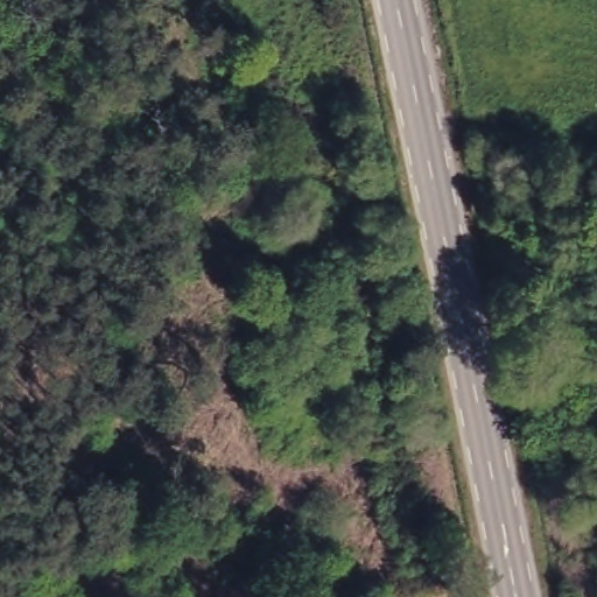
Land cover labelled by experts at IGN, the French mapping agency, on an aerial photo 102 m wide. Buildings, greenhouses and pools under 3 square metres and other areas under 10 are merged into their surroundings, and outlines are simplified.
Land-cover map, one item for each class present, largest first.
<instances>
[{"label":"coniferous trees","instance_id":"1","mask_svg":"<svg viewBox=\"0 0 597 597\"><path fill-rule=\"evenodd\" d=\"M175 21H187L184 0H0V597H23V592L30 590V583L35 578L49 574L63 578L68 569L82 557H117L121 553L142 548L149 541L168 543L180 534V527L191 522L203 525L205 534H229V527L240 522L243 536L229 553L208 550V555L198 560L184 557V562L173 574H166L161 585L152 590L147 597H333V583L347 576L352 567L359 562L352 557V543H338L336 539H331L336 492L324 483L317 487L312 499L299 511V515H294L285 506H275L278 501L271 497L268 487L259 490L257 501L250 508L240 499L231 504L229 497H224L222 483H215L212 492L205 499H201L194 497L189 490H180L168 483V501L159 506L156 520L149 525L138 520L135 480H128L124 485V492L93 483L86 497L82 499H58L56 490L61 487L65 464L72 457V450L63 441L65 434L79 427L84 417H93L96 431H100L103 436L93 445L96 450L110 448L114 443L117 429L131 427L135 422H147L159 429L168 417V403H173L184 389H191L198 382L191 368H182L175 364L173 343L159 338L156 333L163 329V322L168 319V310L175 303V296L180 294V287H191L201 282V278L205 275L201 254L210 247V238L203 233L205 219L201 217V212H194L191 217L177 212V191L184 187H194L198 191L203 184L217 187L226 182L247 156V149H257L266 142H273L282 124L289 117H294L296 112L289 105L292 98L273 96L261 84V79L268 77L275 68L280 49L275 44L261 42V30L247 16L243 19V23L247 28V35L236 37L224 33L222 51L208 56V77L187 79L177 72L173 58L177 42L166 33V28ZM459 173L452 177V187L457 189L464 203L466 229L480 226L490 233L501 236V240L497 243V273L487 278V315L492 324V336L483 343L480 361L473 368L485 375V399L490 403L492 415L497 417L501 436L508 438L513 436V424L518 422V410H532L534 406L550 408L564 396L574 394L576 385L597 382V124L590 117H585L576 121L571 128L557 131L555 142L543 140L541 133L525 131L508 133L494 145H487L483 138H473L457 154ZM364 161L350 175L347 187L338 184L333 191H329L319 182H305L301 189L294 191L287 180L252 182L247 194L238 198L229 208V215L222 219L240 238L257 243L250 254H238L231 259L233 275L240 280V299L252 289L254 271L280 273L287 294L301 301L308 299V287L317 282L319 261L324 252L343 250L350 259L366 257V275L371 280L357 285V299L350 308L338 310L333 322L289 315L287 322L264 326L257 333L254 343L247 345V357L233 359V371L240 375L238 385L252 387L261 396L257 403L243 408V415L247 420L257 410L275 408L282 403L296 410H308L315 417L317 436L310 445L308 462L303 469H308L312 462H326V466H354L361 459L373 462H394L396 450H448L452 441L459 445L450 387L443 378V354L438 350H429L436 343L434 326L427 319L434 310V285L427 282V275L422 271L424 261L420 247V226L413 212L408 210L410 189L396 124L392 126V133L387 128H368L361 142ZM518 480L525 497L534 499L541 506L546 501H555V511L564 525H574L581 534L592 532L590 546L585 548H567L555 536L548 539L550 553H546V564H553L564 574L562 597H597V408L588 415L585 422L564 424L560 429L557 450H548L541 459H515ZM413 564L422 567L420 576L422 583L434 592L431 597H490L487 557L483 548L473 541L471 529L462 527L457 515L445 506L438 513V522H429V539H422L417 546Z\"/></svg>","mask_w":597,"mask_h":597},{"label":"herbaceous vegetation","instance_id":"2","mask_svg":"<svg viewBox=\"0 0 597 597\"><path fill-rule=\"evenodd\" d=\"M187 21H175L166 28V33L177 42L173 58L177 72L187 79L208 77V56L222 51L224 33L236 37L247 35V28L243 23V19L247 16L261 30V42L275 44L280 49L275 68L268 77L261 79V84L273 96L292 98L289 105L296 112L294 117L308 124L310 133L315 135V145L319 147V154L326 163H336L338 156L345 149H350L336 131V124L345 114L366 112L378 128H387L392 133V126L396 124L385 79L380 42L375 35L371 0H345V21L340 26H322L312 9V0H184ZM429 19L434 26L431 42L441 47L438 65L445 77L441 93L448 117L452 112H462V103L459 77L452 70V54L445 42L443 12L438 0H429ZM203 233L210 238V247L201 254L205 275L201 278V282L191 287H180V294L175 296V303L168 310V319L163 322V329L156 333L159 338L173 343L175 364L182 368H191L196 378L203 371L201 352L205 350V345L215 340L212 329H226V338L240 345L238 352H231L226 357L222 368L226 392L217 394L196 413L187 415L182 434H166L159 429L147 422H135L131 427L117 429L114 443L110 448L96 450L93 445L103 436L100 431H96L93 417H84L79 427L65 434L63 441L72 450V457L65 464L61 487L56 490L58 499H82L86 497L93 483L124 492V485L128 480H135L138 520L149 525L156 520L159 506L168 501V483L180 490H189L194 497L201 499H205L212 492L215 483H222L224 497H229L231 504L240 499L250 508L257 501L259 490L268 487L271 497L278 501L275 506H285L294 515H299V511L312 499L317 487L324 483L336 492L331 539H336L338 543H352V557L359 562L352 567L347 576L333 583V597H371V590L385 588L389 576L396 571L399 560L389 546L382 548V541L375 536V527L366 515V501L359 492V480L368 487L373 483V462L361 459L354 466H326V462H312L308 469H303L266 459L264 450L257 448L259 427L247 420L243 415V408L257 403L261 396L252 387L238 385L240 375L233 371V359L247 357V345L254 343L257 333L264 326H257L254 322L238 317L236 303L240 299V280L233 275L231 259L238 254H250L257 243L240 238L222 219H205ZM410 462L422 466L420 483L413 480L399 492L394 515L399 532L410 536L417 546L422 539H429V522H438V513L445 506L457 515L462 527L471 529V525H476L473 501L459 445L452 441L448 450H408ZM534 562L548 597H562L564 574L553 564H546V553H550L548 539L555 536L567 548H585L590 546L592 532L581 534L574 525H564L555 511V501H546L541 506L534 499L525 497ZM84 597H140L126 588L117 571H107L98 576H82L77 581Z\"/></svg>","mask_w":597,"mask_h":597},{"label":"impervious surface","instance_id":"3","mask_svg":"<svg viewBox=\"0 0 597 597\"><path fill-rule=\"evenodd\" d=\"M375 35L380 42L385 79L396 124L410 189L408 210L413 212L420 226V247L424 261L422 271L427 275V282L434 285V310L427 319L434 326L436 343L429 350H438L443 354V378L450 387L459 445L473 501L476 525H471V529L473 541L483 548L487 557L490 597H548L534 562L525 497L518 480L515 459L508 438L501 436L497 417L492 415L490 403L485 399V375L473 368L480 361L483 343L492 336V324L487 315V278L497 273V243L501 240V236L490 233L480 226L466 229L464 203L457 189L452 187V177L459 173L457 154L450 145L445 121L448 117L441 93L445 77L438 65L441 47L431 42L434 26L429 19V0H371Z\"/></svg>","mask_w":597,"mask_h":597},{"label":"agricultural land","instance_id":"4","mask_svg":"<svg viewBox=\"0 0 597 597\"><path fill-rule=\"evenodd\" d=\"M443 12L445 42L452 54V70L459 77L462 103V112H452L448 117L445 121L450 145L457 154L473 138H483L487 145H494L508 133L525 131L541 133L543 140L555 142L557 131L571 128L576 121L585 117H590L597 124V0H438Z\"/></svg>","mask_w":597,"mask_h":597},{"label":"deciduous trees","instance_id":"5","mask_svg":"<svg viewBox=\"0 0 597 597\"><path fill-rule=\"evenodd\" d=\"M368 128H378L366 112L345 114L336 124V131L350 149H345L338 156L336 163H326L319 154V147L315 145V135L310 133L308 124L294 117H289L282 124L273 142H266L257 149H247V156L226 182L217 187L203 184L198 191L194 187H184L177 191V212L191 217L194 212H201V217L205 219H222L229 215V208L238 198L247 194L252 182L287 180L294 191L301 189L305 182H319L329 191H333L338 184L347 187L350 175L364 161L361 142ZM371 280L366 275V257L350 259L343 250L324 252L319 261L317 282L308 287V299L301 301L287 294L280 273L254 271L252 289L240 299L236 303L238 317L254 322L257 326H264L287 322L289 315L333 322L338 310L350 308L357 299V285ZM597 408V382L576 385L574 394L564 396L550 408L534 406L532 410H518V422L513 424V436L508 438L515 459H541L548 450H557L560 429L564 424L585 422L588 415ZM247 420L259 427L257 448L264 450L266 459L303 469L308 462L310 445L317 436L315 417L308 410H296L282 403L275 408L257 410Z\"/></svg>","mask_w":597,"mask_h":597},{"label":"brushwood","instance_id":"6","mask_svg":"<svg viewBox=\"0 0 597 597\"><path fill-rule=\"evenodd\" d=\"M312 9L322 26H340L345 21V0H312ZM215 340L205 345V350L201 352L203 371L196 378L198 382L191 389H184L173 403H168V417L159 429L166 434H182L187 415L196 413L217 394L226 392L222 368L226 357L231 352H238L240 345L226 338V329H212ZM422 466L410 462L408 450H396L394 462H373V483L368 487L359 480V492L366 501V515L375 527V536L382 541V548L389 546L399 560L396 571L389 576L385 588L371 590V597H431L434 592L422 583L420 576L422 567L413 564L417 546L410 536L399 532L394 515L399 492L413 480L420 483ZM243 536L240 522L229 527V534H205L203 525L191 522L180 527V534L168 543L149 541L142 548L121 553L117 557H82L68 569L63 578L49 574L35 578L30 583V590L23 592V597H84L77 581L82 576H98L107 571H117L126 588L140 597H147L152 590L161 585L166 574H173L184 562V557L198 560L208 555V550L229 553Z\"/></svg>","mask_w":597,"mask_h":597}]
</instances>
